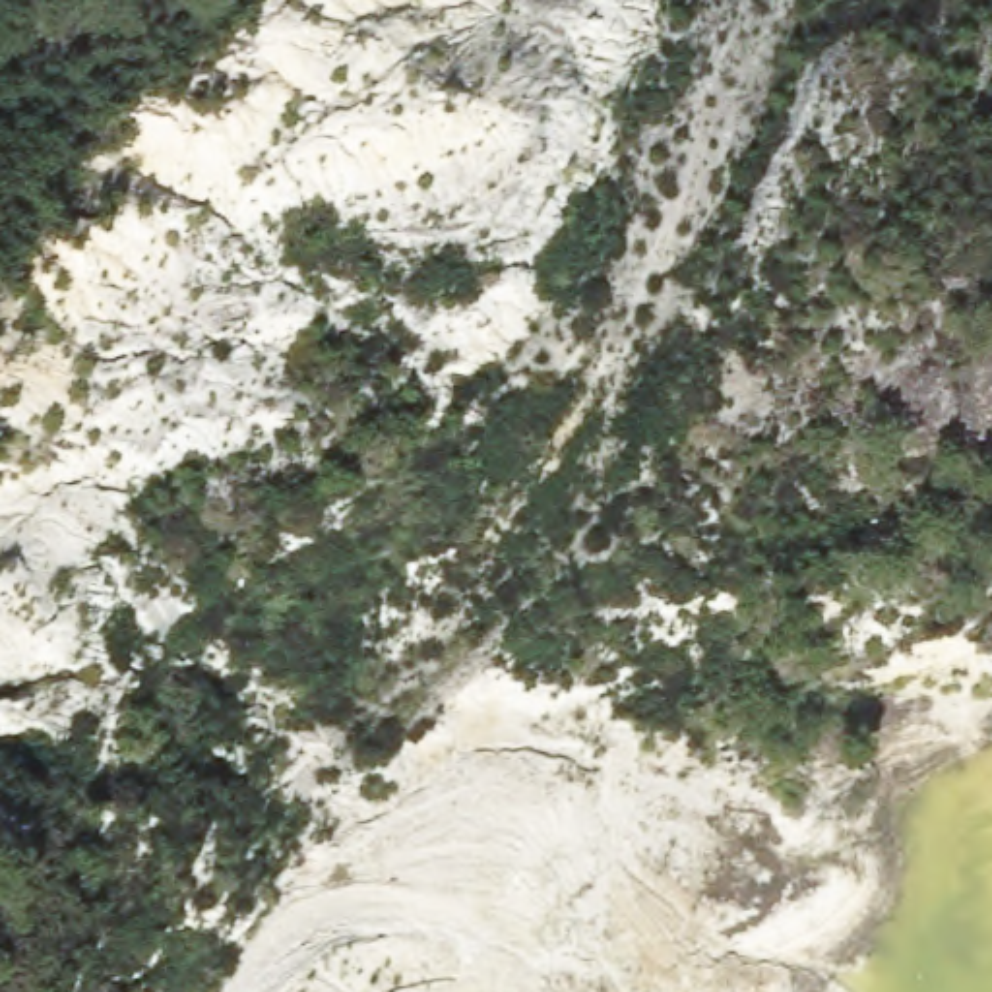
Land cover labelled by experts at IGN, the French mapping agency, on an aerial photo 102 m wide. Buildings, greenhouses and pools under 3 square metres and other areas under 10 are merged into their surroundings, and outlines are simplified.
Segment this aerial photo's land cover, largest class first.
<instances>
[{"label":"pervious surface","instance_id":"1","mask_svg":"<svg viewBox=\"0 0 992 992\"><path fill-rule=\"evenodd\" d=\"M794 0H717L713 8L698 12L686 27H670V16L659 8V0H264L260 31H236L229 54L213 70H194L174 101L143 97L140 109H120L101 120V155H93L81 171V221L66 240H43L31 260V283L16 298L0 302V732H47L50 740H62L74 713L85 709L101 721L97 760L105 767L116 763L120 698L136 690V682L109 659V612L132 608L143 632H167L178 616L194 612V605L167 593L151 597L132 589L128 566L120 558L93 554V546L109 535H120L128 543L140 535L128 519V500L143 488L147 477L174 469L186 453L225 457L236 450H260L275 438L279 426H287L295 411V388H287L283 360L298 329L310 326L314 314L329 318L333 329H345L349 306L372 302L380 329L403 322L419 337L415 353L403 357V364L415 368L419 384L434 399L426 415L430 426H442L446 419L453 380L477 372L488 360H496L508 372L512 388H527V368H574L585 380L581 395L570 403L566 419L543 446V473H558L566 442L589 411L620 415V391L628 384V368L636 364V341H655L670 318H686L698 329L709 326V310L690 298L686 287L674 283L663 291H647V279L655 271L674 267L698 244L701 229L713 221L721 202L709 194V174L713 167L729 163V155H740V147L752 140V120L763 112L771 85V50L791 31L787 16ZM659 43L705 47L713 66L678 101L674 116L667 124H647L639 132V143L632 147L636 190L659 205V229L643 221L628 225L624 256L612 264V298L605 302V322L597 326V337L577 341L574 322L581 306H566L554 318V306L535 295V256L558 233L570 194L589 190L616 163L612 93L624 85L632 62L655 54ZM314 198L329 202L341 221L357 217L376 240L380 260L399 271H415L430 244H461L465 260H500L504 275L492 287H484L477 302L453 310H419L403 295H388L376 287L357 291L349 279L337 275H329V298L295 295L302 271L283 264V213ZM907 616H922V605H915L903 601L891 624H880L860 612L841 632L849 659L841 667L822 670L825 686L876 690L884 698L880 748L860 767H845L841 752L833 760L814 752L810 763H756L736 756V736H717L713 767H705L686 748V740H670L659 729H636L632 721L612 717V709L636 694L632 667L616 670V678L608 682L570 690L515 682V659L504 647L508 616L492 624V632L481 639V647H473L465 667H457L453 659H430L403 670L391 686L380 690V698L360 701L368 717L434 721V729L422 740L403 744L388 763L357 767L337 729L295 732L291 744L287 771L275 779L283 798L310 802V818L298 837L302 849L279 872V903L260 899L236 922L225 918V907H186L190 930H213L217 938L240 949V965L221 992H864L860 957L868 949L872 922L864 915L884 911L899 884L895 841L911 829V818L926 802L918 779L934 775L953 756H969L980 744H992V655L969 643L977 636V620H965L957 636L946 639H926L918 628H903Z\"/></svg>","mask_w":992,"mask_h":992},{"label":"brushwood","instance_id":"2","mask_svg":"<svg viewBox=\"0 0 992 992\"><path fill-rule=\"evenodd\" d=\"M717 0H659V8L670 16V27H686L698 12L713 8ZM791 31L771 50V85L763 112L752 120V140L740 147V155H729V163L713 167L709 174V194L721 202L713 221L701 229L698 244L674 267L655 271L647 279V291H663L674 283L686 287L690 298L709 310V326L698 329L686 318H670L655 341H636V364L628 368V384L620 391V415L589 411L566 442L558 473H543V446L566 419L570 403L581 395L585 380L574 368H527V388H512L508 372L496 360H488L477 372L453 380L446 419L442 426H430L426 415L434 399L419 384L415 368L403 364V357L415 353L419 337L403 322L380 329L372 302L349 306L345 329H333L329 318L314 314L310 326L298 329L283 360L287 388H295V411L287 426H279L275 438L260 450H236L225 457L186 453L174 469L147 477L143 488L128 500V519L140 535L128 543L120 535H109L93 546V554L120 558L128 566L132 589L151 597L167 593L194 605V612L178 616L167 632H143L132 608L109 612V659L136 682V690L120 698L116 763L105 767L97 760L101 721L85 709L74 713L62 740H50L47 732H0V872L31 891V930L12 934V973L0 980V992H221L240 965V949L217 938L213 930H190L186 907H225V918L236 922L260 899L279 903V872L302 849L298 837L310 818V802L283 798L275 779L287 771L291 744L275 740L271 729L248 725V670L260 667L267 686L291 690L295 705L275 709V717L295 732L337 729L357 767L388 763L403 744L422 740L434 729V721L368 717L360 701L380 698V690L391 686L403 670L430 659H453L457 667H465L473 647H481V639L492 632V624L508 616L504 647L515 659V682L570 690L608 682L616 678V670L632 667L636 694L612 709V717L632 721L636 729H659L670 740H686V748L705 767H713L717 736H736V756L756 763H810L814 752L833 760L841 752L845 767H860L880 748L884 698L876 690L825 686L822 670L841 667L849 659L841 632L860 612L880 624H891L903 601L915 605V585L907 581L880 593L872 577H845L849 558L856 550H876L891 531H899V512H891L887 504L899 492H918V484H942L984 496L992 504V364L926 376L918 360L938 345L934 337H918L899 349L895 360H884L876 345L864 341L868 329H880V314L860 310L868 302V287L853 279L845 248H860L864 260L876 267L884 256L918 260L922 275L930 279V291L949 283V302L930 298L934 326L946 322V306L957 314L984 310L992 302V0H794L787 16ZM841 35H853V62L868 78V112L872 128L884 136V147L868 155L864 167H849L841 159H829L818 136H802L794 155L806 171V194L783 205L787 236L775 240L767 252L748 256L740 233L756 202V186L763 182L767 163L787 136L798 78L806 62L822 58ZM725 353H740L744 368L752 376H763L771 415H740L736 422H725L717 415L725 407ZM446 546L457 550V558L442 566L438 589L430 593L407 585V562L438 554ZM717 593H732L736 605L729 612H698V632L674 647L651 636L659 616H597L605 605H639L643 597H663L678 605L690 597ZM415 612H430L434 620L457 612L469 624L457 628L450 639H422L411 643L403 659H388V639L411 628Z\"/></svg>","mask_w":992,"mask_h":992},{"label":"coniferous trees","instance_id":"3","mask_svg":"<svg viewBox=\"0 0 992 992\"><path fill-rule=\"evenodd\" d=\"M264 0H0V302L16 298L31 283V260L43 240H66L81 221V171L93 155H101V120L120 109H140L143 97L174 101L194 70H213L229 54L236 31H260ZM853 279L868 287V302L860 310L880 314V329H868L864 341L876 345L884 360H895L899 349L918 337H934L938 345L918 360L926 376L992 364V302L984 310L957 314L946 306V322L934 326L930 298L949 302V283L930 291V279L922 275L918 260L884 256L876 267L864 260L860 248H845ZM891 512H899V531H891L876 550H856L849 558L845 577H872L880 593L907 581L915 585V605H922V616H907L903 628H918L926 639H946L957 636L965 620H977V636L969 643L992 655V504L984 496L942 484H918V492H899L887 504ZM31 891L0 872V980L12 973V934L31 930Z\"/></svg>","mask_w":992,"mask_h":992},{"label":"herbaceous vegetation","instance_id":"4","mask_svg":"<svg viewBox=\"0 0 992 992\"><path fill-rule=\"evenodd\" d=\"M713 66L705 47L659 43L655 54L632 62L624 85L612 93L616 163L589 190L570 194L558 233L535 256V295L554 306V318L566 306H581L574 322L577 341L597 337V326L605 322V302L612 298V264L624 256L628 225L643 221L659 229V205L636 190L632 147L639 143V132L647 124H667L674 116L678 101ZM283 264L302 271L295 295L329 298V275H337L349 279L357 291L376 287L388 295H403L419 310H453L477 302L484 287H492L504 275L500 260H465L461 244H430L415 271H399L380 260L376 240L357 217L341 221L329 202L314 198L283 213Z\"/></svg>","mask_w":992,"mask_h":992},{"label":"water","instance_id":"5","mask_svg":"<svg viewBox=\"0 0 992 992\"><path fill-rule=\"evenodd\" d=\"M926 802L911 818V829L895 841L899 884L884 911L864 915L872 922L868 949L860 957L864 992H992V744H980L969 756H953L934 775L918 779Z\"/></svg>","mask_w":992,"mask_h":992},{"label":"bare soil","instance_id":"6","mask_svg":"<svg viewBox=\"0 0 992 992\"><path fill-rule=\"evenodd\" d=\"M868 78L853 62V35H841L822 58L806 62L798 78L787 136L767 163L763 182L756 186V202L740 233L748 256L767 252L775 240L787 236L783 205L806 194V171L794 155L802 136H818L829 159H841L849 167H864L868 155L884 147V136L872 128L868 112ZM725 407L717 415L725 422H736L740 415H771L763 376H752L744 368L740 353H725ZM457 558V550L446 546L438 554L407 562V585L430 593L438 589L442 566ZM736 605L732 593H717L690 597L678 605L663 597H643L639 605H605L597 616H659L651 636L674 647L698 632V612H729ZM469 624L457 612L434 620L430 612H415L411 628L388 639V659H403L411 643L422 639H450L457 628ZM248 725L271 729L275 740L291 744L295 732L275 717V709L295 705L291 690L267 686L260 667L248 670Z\"/></svg>","mask_w":992,"mask_h":992}]
</instances>
